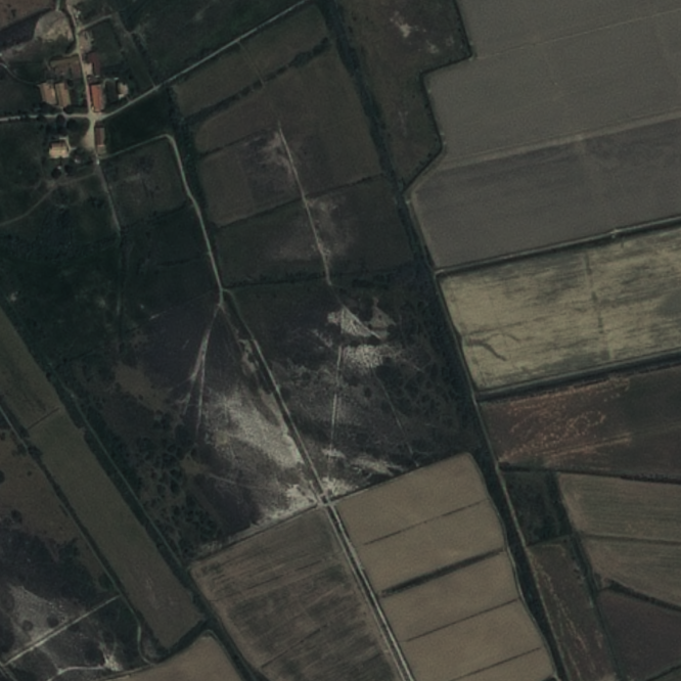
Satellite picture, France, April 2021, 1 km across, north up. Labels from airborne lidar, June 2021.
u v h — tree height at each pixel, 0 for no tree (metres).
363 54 0
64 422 0
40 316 0
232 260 0
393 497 0
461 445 0
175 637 0
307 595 0
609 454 0
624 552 0
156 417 0
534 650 0
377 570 0
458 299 0
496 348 0
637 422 0
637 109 0
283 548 0
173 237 0
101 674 0
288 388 0
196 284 0
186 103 0
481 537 0
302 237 0
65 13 6
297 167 0
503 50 0
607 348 0
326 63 0
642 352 0
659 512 0
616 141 0
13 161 0
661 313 0
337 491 0
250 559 0
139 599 0
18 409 0
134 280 0
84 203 0
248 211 0
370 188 0
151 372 0
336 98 0
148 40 0
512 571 0
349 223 0
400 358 0
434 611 0
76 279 0
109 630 0
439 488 0
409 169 0
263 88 0
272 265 0
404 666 0
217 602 0
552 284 0
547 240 0
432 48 0
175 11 0
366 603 0
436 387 0
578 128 0
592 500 0
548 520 6
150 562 0
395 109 0
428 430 0
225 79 0
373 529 0
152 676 0
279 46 0
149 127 0
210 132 0
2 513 0
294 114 0
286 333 0
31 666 0
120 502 0
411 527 0
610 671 0
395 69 0
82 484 0
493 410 0
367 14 0
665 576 0
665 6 0
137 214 0
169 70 0
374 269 0
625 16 0
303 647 0
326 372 0
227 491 0
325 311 0
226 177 0
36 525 0
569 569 0
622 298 0
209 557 0
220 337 0
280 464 0
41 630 0
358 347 0
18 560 0
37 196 0
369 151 0
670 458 0
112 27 0
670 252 0
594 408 0
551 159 0
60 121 9
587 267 0
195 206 0
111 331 0
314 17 0
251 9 0
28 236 0
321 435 0
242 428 0
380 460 0
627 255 0
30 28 0
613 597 0
